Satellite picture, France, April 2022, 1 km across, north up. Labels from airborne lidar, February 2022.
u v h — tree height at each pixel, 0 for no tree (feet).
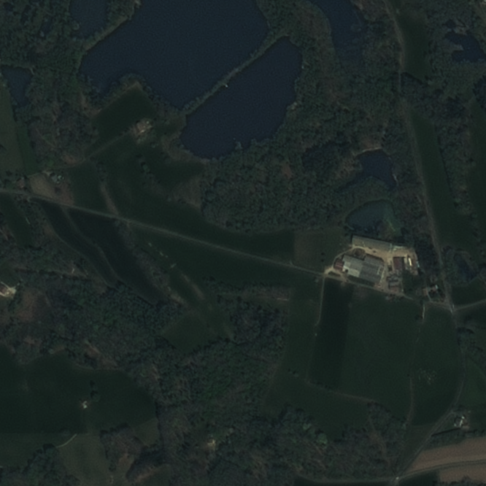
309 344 0
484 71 51
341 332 0
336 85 54
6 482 88
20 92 0
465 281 0
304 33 61
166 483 0
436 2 21
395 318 0
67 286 55
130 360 76
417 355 0
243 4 0
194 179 0
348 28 0
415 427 0
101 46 0
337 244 0
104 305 76
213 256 0
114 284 0
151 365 77
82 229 0
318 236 0
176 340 0
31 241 0
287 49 0
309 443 91
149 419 0
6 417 0
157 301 0
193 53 0
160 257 0
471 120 60
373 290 0
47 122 21
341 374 0
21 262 65
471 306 0
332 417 0
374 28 71
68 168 0
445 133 78
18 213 0
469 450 0
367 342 0
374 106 88
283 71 0
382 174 0
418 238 75
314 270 0
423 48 0
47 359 0
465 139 94
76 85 58
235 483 83
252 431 76
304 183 57
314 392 0
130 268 0
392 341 0
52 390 0
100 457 0
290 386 0
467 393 0
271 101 0
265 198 69
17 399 0
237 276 0
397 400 0
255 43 0
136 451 97
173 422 97
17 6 57
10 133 0
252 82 0
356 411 0
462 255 0
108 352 90
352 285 0
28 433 0
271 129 0
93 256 0
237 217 55
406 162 85
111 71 0
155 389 67
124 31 0
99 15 0
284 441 109
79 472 0
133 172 0
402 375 0
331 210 55
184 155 0
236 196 67
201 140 0
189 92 0
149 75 0
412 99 77
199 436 0
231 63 0
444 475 0
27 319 0
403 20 0
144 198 0
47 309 0
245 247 0
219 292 41
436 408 0
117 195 0
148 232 0
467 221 0
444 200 0
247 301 0
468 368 0
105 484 0
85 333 70
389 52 61
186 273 0
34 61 69
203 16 0
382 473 62
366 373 0
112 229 0
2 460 0
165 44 0
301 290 0
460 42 0
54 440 0
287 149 60
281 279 0
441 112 61
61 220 0
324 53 70
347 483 0
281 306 0
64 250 0
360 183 46
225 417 58
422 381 0
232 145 0
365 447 69
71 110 70
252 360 64
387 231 89
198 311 0
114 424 0
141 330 69
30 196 0
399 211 78
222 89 0
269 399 0
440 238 0
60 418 0
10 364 0
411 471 0
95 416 0
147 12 0
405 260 0
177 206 0
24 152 0
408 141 20
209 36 0
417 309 0
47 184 0
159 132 0
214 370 49
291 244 0
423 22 0
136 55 0
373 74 74
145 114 0
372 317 0
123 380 0
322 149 52
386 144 48
